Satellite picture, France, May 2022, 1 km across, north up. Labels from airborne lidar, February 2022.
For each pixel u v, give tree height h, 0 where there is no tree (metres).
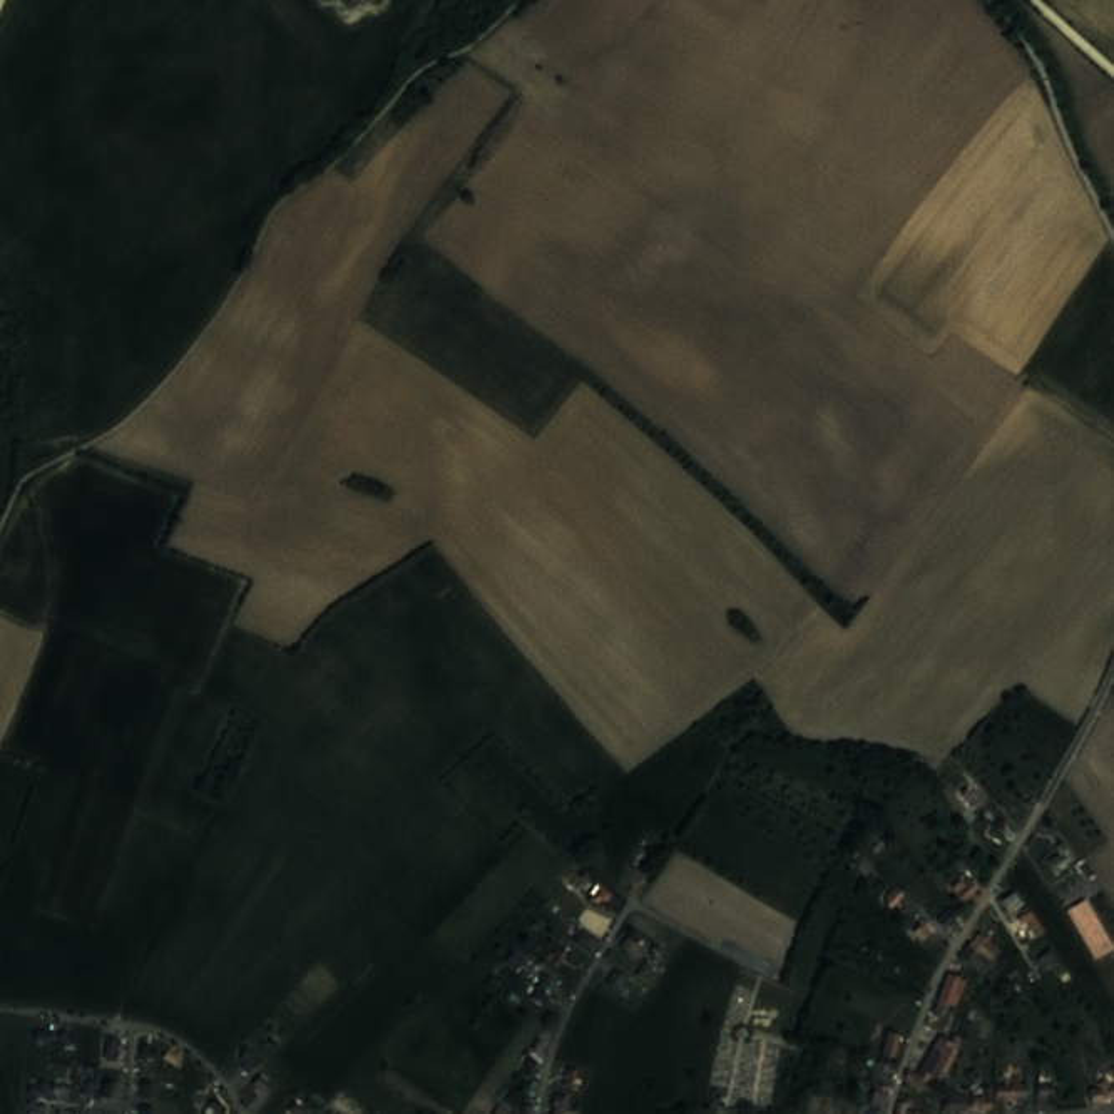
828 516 0
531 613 0
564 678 0
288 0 0
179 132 0
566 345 0
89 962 0
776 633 0
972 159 0
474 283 0
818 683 0
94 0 0
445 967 0
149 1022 0
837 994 0
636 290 0
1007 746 0
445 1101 0
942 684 0
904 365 0
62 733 0
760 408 0
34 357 0
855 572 0
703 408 0
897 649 0
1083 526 0
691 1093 0
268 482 0
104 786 0
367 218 0
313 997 0
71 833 0
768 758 0
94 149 0
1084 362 0
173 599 0
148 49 0
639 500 0
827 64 0
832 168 0
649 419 0
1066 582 0
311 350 0
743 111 0
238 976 0
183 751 0
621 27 0
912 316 0
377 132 0
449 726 0
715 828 0
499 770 0
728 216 0
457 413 0
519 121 0
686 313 0
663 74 0
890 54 0
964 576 0
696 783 0
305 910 0
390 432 0
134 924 0
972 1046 0
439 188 0
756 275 0
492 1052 0
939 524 0
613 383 0
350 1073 0
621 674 0
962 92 0
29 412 0
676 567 0
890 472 0
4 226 0
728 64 0
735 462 0
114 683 0
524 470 0
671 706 0
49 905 0
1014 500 0
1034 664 0
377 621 0
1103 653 0
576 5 0
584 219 0
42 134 0
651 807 0
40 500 0
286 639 0
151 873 0
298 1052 0
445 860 0
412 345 0
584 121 0
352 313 0
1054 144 0
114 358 0
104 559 0
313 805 0
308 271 0
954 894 7
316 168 8
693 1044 0
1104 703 0
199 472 0
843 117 0
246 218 0
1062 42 0
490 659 0
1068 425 0
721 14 0
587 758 0
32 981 0
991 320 0
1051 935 0
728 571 0
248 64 0
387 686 0
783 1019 0
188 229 0
